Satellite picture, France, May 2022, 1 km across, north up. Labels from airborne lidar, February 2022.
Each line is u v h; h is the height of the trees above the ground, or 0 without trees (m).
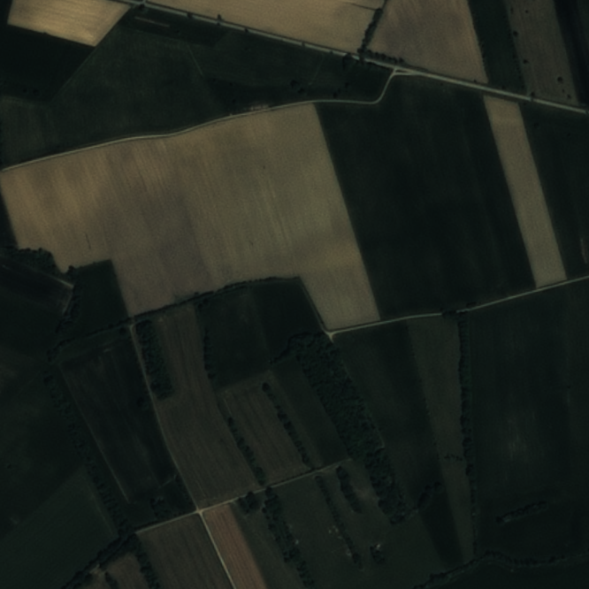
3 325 0
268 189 0
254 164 0
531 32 0
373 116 0
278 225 0
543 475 0
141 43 0
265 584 0
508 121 0
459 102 0
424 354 0
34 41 0
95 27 0
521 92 0
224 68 0
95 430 0
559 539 0
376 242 0
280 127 0
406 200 0
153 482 0
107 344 0
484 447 0
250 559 0
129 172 0
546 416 0
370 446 14
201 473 0
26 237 0
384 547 0
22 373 0
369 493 0
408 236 0
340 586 0
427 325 0
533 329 0
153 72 0
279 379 0
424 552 0
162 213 0
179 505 0
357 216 0
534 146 0
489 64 0
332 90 0
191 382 0
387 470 9
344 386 15
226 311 0
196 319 0
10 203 0
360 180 0
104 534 0
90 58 0
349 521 0
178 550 0
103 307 0
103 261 0
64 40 0
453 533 0
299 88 10
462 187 0
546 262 0
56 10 0
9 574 0
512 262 0
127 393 0
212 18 0
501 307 0
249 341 0
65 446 0
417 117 0
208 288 0
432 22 0
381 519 0
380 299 0
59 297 0
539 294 0
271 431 0
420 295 0
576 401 0
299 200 0
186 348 0
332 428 0
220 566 0
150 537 0
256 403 0
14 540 0
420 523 0
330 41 0
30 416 0
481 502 0
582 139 0
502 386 0
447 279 0
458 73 0
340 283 0
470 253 0
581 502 0
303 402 0
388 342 0
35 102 0
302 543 0
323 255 0
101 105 0
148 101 0
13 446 0
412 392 0
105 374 0
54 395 13
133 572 0
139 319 7
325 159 0
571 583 0
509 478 0
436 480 0
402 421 0
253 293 0
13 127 0
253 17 0
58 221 0
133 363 0
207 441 0
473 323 0
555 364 0
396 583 0
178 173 0
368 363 0
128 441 0
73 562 0
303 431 0
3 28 0
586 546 0
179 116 0
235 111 0
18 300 0
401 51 0
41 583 0
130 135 0
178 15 0
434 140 0
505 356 0
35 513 0
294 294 0
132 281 0
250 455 10
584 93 0
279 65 0
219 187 0
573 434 0
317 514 0
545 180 0
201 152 0
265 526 0
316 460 0
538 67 0
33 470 0
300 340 15
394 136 0
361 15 0
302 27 0
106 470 0
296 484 0
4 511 0
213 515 0
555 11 0
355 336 0
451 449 0
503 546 0
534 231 0
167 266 0
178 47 0
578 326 0
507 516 7
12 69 0
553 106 0
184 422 0
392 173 0
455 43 0
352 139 0
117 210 0
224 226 0
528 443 0
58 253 0
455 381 0
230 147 0
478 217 0
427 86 0
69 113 0
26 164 0
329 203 0
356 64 8
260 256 0
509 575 0
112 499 8
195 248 0
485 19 0
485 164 0
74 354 0
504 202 0
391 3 0
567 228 0
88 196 0
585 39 0
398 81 0
